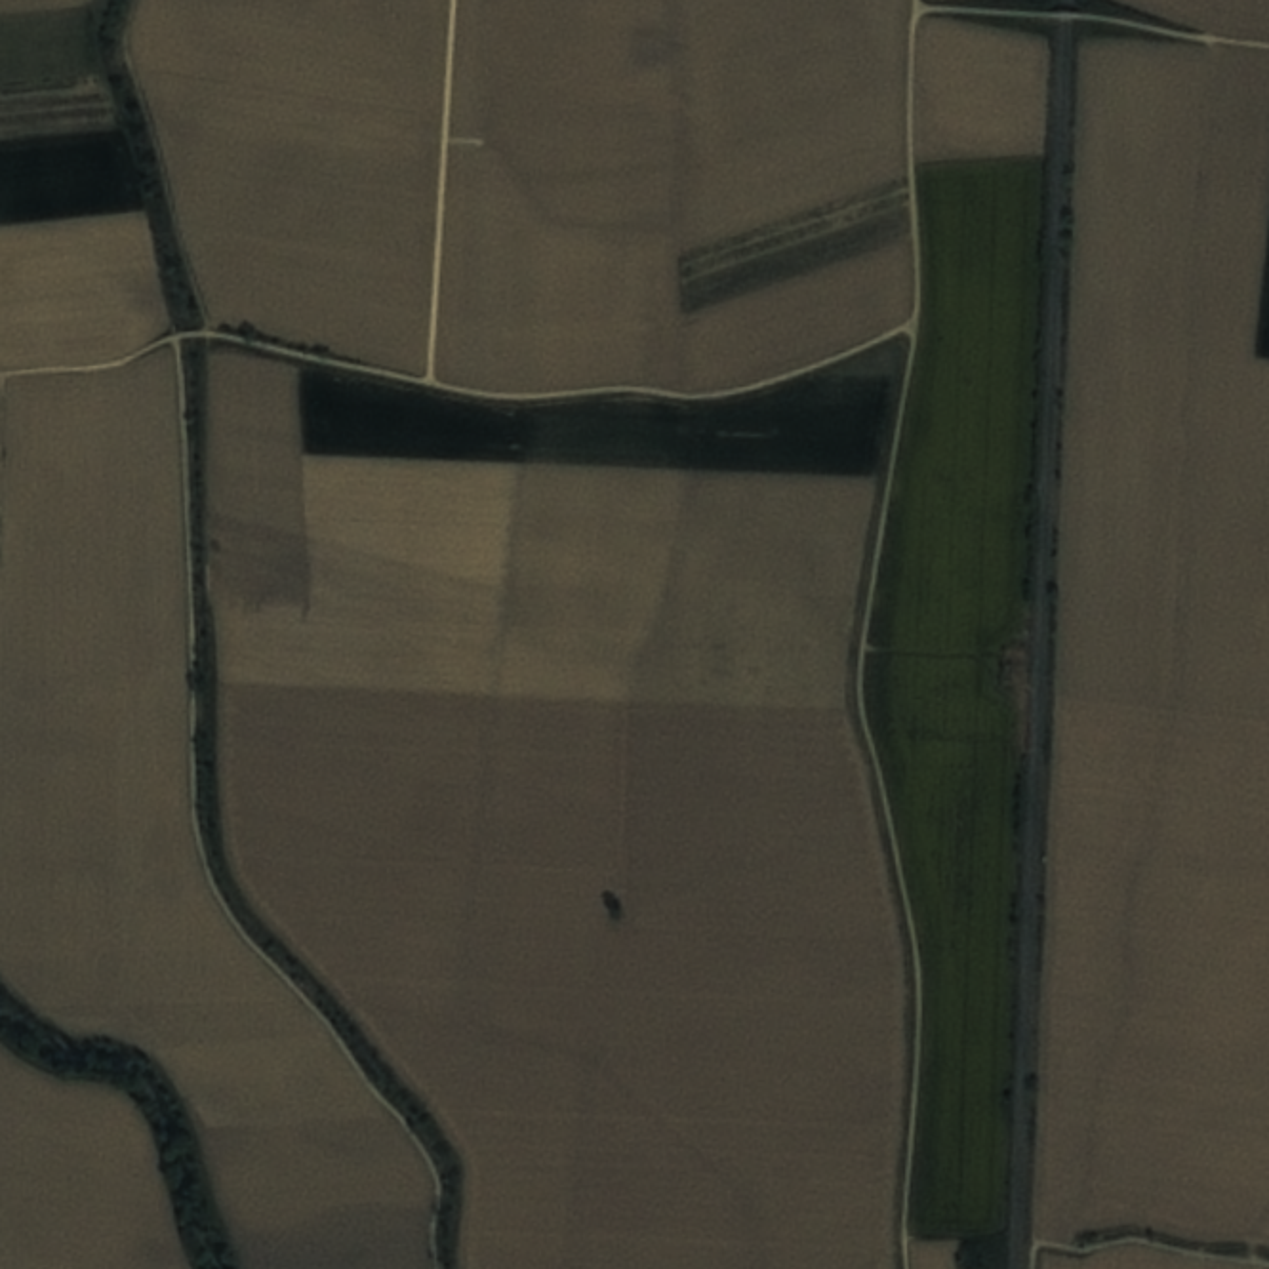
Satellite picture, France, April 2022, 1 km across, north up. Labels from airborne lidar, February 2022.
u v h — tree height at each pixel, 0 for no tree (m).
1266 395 0
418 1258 0
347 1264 0
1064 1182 0
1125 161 0
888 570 0
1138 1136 0
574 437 0
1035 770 0
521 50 0
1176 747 0
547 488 0
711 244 0
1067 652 0
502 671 0
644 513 0
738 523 0
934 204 0
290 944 0
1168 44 0
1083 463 0
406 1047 0
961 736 0
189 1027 0
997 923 0
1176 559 0
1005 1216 0
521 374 0
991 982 0
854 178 0
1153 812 0
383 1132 0
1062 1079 0
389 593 0
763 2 0
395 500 0
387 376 0
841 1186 0
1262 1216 0
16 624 0
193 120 0
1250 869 0
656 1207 0
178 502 0
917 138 0
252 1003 0
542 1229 0
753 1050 0
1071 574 0
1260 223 0
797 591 0
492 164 0
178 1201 9
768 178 0
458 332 0
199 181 0
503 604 0
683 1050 0
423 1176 0
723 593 0
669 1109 0
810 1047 0
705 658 0
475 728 0
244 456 0
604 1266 0
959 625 0
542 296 0
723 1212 0
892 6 0
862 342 0
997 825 0
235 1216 0
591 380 0
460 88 0
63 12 0
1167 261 0
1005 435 0
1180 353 0
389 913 0
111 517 0
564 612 0
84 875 0
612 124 0
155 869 0
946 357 0
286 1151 0
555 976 0
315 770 0
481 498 0
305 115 0
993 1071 0
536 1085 0
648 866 0
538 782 0
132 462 0
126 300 0
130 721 0
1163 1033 0
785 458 0
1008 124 0
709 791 0
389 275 0
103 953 0
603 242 0
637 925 0
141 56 0
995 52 0
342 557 0
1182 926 0
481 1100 0
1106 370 0
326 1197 0
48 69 0
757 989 0
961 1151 0
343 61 0
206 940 0
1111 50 0
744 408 0
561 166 0
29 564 0
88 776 0
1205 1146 0
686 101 0
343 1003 0
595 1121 0
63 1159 0
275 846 0
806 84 0
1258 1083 0
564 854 0
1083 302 0
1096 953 0
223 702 0
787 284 0
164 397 0
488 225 0
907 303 0
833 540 0
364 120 0
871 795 0
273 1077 0
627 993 0
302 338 0
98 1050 16
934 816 0
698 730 0
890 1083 0
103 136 0
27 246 0
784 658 0
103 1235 0
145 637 0
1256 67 0
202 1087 0
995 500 0
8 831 0
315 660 0
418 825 0
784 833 0
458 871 0
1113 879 0
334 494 0
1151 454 0
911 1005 0
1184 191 0
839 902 0
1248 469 0
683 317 0
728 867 0
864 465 0
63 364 0
